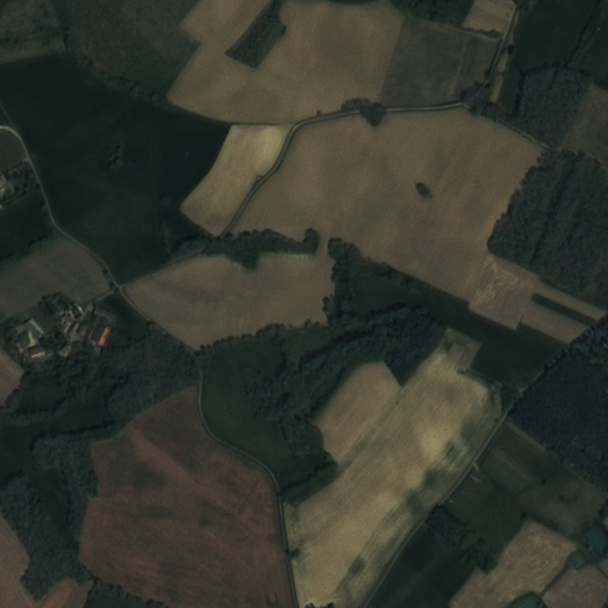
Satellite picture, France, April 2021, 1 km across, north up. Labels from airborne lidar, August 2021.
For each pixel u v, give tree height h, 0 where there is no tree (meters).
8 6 0
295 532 0
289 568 0
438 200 0
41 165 0
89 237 0
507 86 0
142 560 0
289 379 24
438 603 0
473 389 0
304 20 0
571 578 0
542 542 0
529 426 14
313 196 0
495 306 0
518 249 13
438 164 0
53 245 0
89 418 0
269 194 0
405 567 0
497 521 0
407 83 0
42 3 0
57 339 12
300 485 11
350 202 0
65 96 0
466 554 10
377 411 0
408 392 0
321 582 0
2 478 0
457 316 0
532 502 0
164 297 0
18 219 0
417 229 0
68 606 0
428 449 0
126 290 0
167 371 19
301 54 0
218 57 0
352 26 0
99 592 11
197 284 0
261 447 0
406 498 0
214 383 0
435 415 0
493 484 0
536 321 0
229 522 0
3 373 0
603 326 12
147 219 0
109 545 0
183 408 0
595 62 0
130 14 0
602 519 12
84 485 13
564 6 0
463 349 0
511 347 0
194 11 0
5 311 0
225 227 0
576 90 20
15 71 0
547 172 14
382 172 0
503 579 0
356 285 6
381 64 0
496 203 0
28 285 0
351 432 0
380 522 0
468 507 0
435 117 0
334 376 13
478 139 0
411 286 16
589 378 13
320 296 0
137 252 0
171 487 0
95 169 0
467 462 0
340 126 0
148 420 0
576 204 20
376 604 7
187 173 0
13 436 0
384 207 0
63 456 13
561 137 17
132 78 6
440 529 14
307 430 22
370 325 19
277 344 13
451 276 0
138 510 0
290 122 0
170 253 9
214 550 0
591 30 5
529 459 0
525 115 13
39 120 0
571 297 0
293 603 0
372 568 0
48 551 22
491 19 0
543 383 14
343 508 0
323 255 0
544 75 18
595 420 15
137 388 16
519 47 0
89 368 19
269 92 0
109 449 0
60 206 0
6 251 0
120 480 0
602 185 21
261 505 0
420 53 0
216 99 0
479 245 0
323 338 0
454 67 0
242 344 12
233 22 0
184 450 0
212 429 0
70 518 14
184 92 0
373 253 0
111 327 9
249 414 0
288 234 0
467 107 15
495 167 0
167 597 0
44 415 10
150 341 15
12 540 0
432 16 8
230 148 0
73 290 0
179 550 0
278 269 0
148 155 0
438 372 0
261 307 0
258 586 0
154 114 0
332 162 0
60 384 18
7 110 0
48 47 0
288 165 0
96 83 0
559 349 0
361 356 16
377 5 0
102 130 0
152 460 0
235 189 0
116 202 0
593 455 18
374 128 13
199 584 0
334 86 0
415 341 17
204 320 0
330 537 0
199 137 0
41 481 0
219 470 0
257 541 0
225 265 0
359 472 0
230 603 0
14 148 0
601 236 20
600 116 0
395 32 0
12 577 0
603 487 15
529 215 21
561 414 14
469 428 0
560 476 0
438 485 0
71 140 0
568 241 10
